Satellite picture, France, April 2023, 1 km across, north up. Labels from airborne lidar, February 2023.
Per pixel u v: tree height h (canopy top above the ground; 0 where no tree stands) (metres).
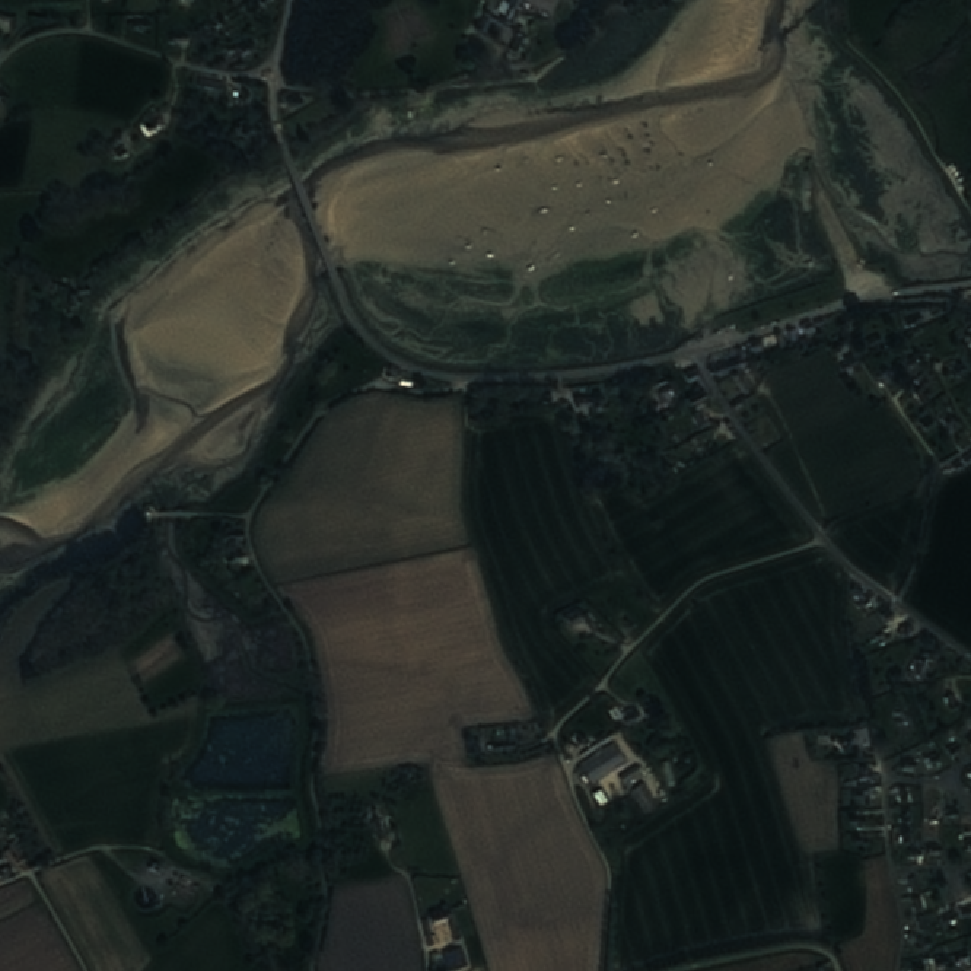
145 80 0
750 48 0
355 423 0
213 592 0
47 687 0
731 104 0
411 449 0
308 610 0
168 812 15
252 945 10
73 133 0
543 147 0
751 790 0
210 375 0
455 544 0
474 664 0
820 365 0
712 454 15
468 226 0
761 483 0
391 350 0
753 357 7
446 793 0
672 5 16
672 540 0
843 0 0
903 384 14
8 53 0
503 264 0
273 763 0
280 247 0
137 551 10
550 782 0
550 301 0
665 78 0
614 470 20
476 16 0
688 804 0
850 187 0
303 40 13
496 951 0
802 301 0
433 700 0
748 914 0
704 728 0
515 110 0
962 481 0
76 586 12
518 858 0
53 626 11
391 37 0
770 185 0
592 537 0
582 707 0
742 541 0
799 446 0
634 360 0
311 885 7
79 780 0
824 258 0
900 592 6
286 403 0
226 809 0
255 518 0
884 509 0
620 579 0
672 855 0
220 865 0
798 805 0
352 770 0
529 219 0
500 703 0
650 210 0
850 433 0
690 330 0
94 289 0
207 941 0
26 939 0
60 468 0
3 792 0
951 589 0
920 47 0
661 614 0
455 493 0
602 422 8
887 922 0
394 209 0
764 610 0
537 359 0
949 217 0
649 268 0
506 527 0
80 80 0
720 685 0
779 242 0
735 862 0
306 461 0
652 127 0
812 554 0
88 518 0
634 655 0
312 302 0
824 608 0
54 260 0
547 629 0
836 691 0
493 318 0
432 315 0
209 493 0
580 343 0
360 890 0
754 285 0
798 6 0
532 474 0
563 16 0
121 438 0
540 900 0
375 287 0
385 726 0
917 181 0
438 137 0
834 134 0
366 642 0
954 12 0
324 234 0
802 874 0
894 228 0
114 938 0
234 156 19
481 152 0
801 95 0
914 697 6
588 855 0
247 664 0
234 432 0
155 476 0
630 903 0
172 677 0
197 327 0
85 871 0
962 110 0
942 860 0
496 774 0
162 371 0
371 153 0
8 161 0
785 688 0
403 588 0
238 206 0
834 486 0
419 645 0
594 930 0
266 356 0
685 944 0
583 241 0
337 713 0
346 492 0
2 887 0
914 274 0
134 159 0
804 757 0
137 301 0
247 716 0
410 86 26
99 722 0
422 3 14
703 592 0
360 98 16
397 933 0
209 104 9
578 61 0
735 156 0
